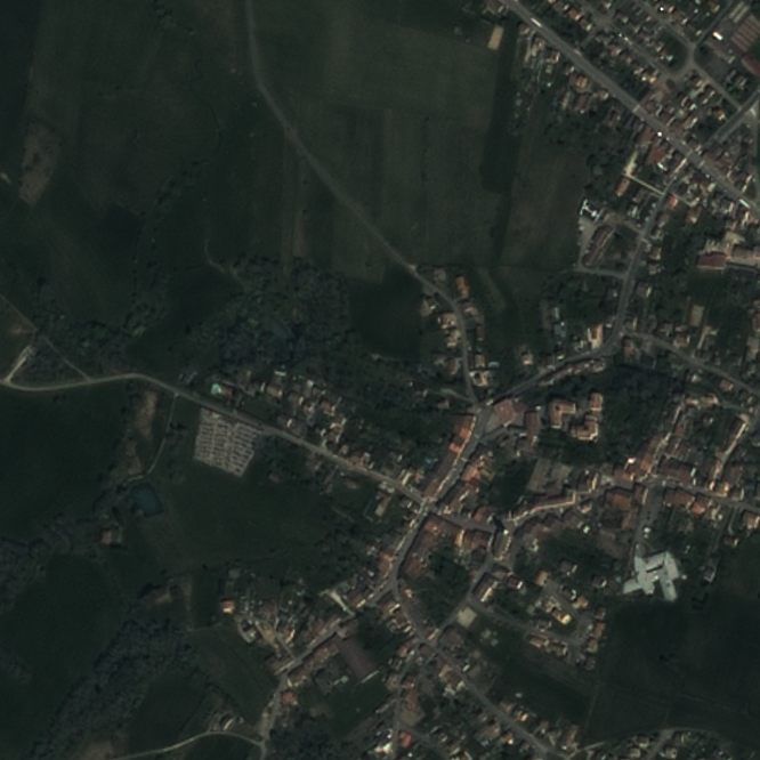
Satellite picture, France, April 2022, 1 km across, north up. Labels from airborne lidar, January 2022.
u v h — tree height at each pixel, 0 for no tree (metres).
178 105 0
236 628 15
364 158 0
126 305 0
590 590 0
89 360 6
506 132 0
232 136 0
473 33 0
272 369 10
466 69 0
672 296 7
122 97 0
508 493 0
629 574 0
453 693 0
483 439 0
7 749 0
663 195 0
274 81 0
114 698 20
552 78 0
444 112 0
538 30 0
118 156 0
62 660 0
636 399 15
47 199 0
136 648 19
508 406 0
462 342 0
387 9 0
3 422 0
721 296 0
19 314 0
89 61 0
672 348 0
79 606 0
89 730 19
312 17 0
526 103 0
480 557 6
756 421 0
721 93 0
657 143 0
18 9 0
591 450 8
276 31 0
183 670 12
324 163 0
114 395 0
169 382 0
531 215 0
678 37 0
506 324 0
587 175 0
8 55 0
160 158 0
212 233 0
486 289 0
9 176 0
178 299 0
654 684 0
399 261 0
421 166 0
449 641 0
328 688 0
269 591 0
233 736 0
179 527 0
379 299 0
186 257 0
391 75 0
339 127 0
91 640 0
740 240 0
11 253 0
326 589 0
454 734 0
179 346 0
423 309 0
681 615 0
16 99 0
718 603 0
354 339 12
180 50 0
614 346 0
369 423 0
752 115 0
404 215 0
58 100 0
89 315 0
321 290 22
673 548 12
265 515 0
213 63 0
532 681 0
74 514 0
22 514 0
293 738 11
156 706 0
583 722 0
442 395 0
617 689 0
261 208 0
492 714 0
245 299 9
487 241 0
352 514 7
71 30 0
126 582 0
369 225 0
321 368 29
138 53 0
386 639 0
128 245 0
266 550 0
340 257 0
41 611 0
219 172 0
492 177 0
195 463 0
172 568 0
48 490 0
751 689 0
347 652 0
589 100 0
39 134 0
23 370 0
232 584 0
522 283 0
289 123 0
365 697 0
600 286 0
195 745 0
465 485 0
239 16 0
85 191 0
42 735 0
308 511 0
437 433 0
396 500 0
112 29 0
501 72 0
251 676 0
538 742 0
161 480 0
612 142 0
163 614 0
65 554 15
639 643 0
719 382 7
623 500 0
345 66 0
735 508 0
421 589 0
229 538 0
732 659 0
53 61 0
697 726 0
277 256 0
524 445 0
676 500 0
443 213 0
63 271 0
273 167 0
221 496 0
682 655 0
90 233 0
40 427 0
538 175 0
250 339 22
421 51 0
